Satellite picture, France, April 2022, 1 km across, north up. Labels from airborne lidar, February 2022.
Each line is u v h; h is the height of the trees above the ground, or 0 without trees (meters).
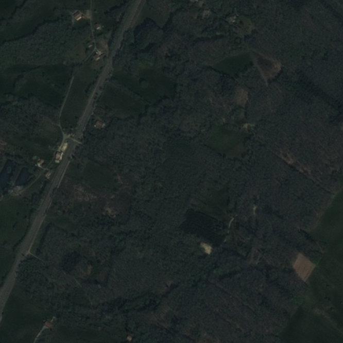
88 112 0
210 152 16
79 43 23
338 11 22
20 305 0
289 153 24
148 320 28
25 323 0
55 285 19
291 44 15
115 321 6
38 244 0
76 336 0
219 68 0
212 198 0
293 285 29
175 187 12
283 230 23
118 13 19
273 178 26
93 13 0
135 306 20
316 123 29
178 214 15
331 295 0
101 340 0
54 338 0
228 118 22
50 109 18
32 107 23
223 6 10
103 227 20
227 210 0
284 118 25
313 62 23
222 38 8
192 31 27
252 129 0
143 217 21
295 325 0
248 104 0
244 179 22
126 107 0
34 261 16
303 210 27
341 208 0
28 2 19
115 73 0
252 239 30
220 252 23
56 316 0
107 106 0
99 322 16
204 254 0
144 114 0
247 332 24
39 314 0
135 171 21
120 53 19
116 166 19
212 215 0
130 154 16
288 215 25
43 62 16
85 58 0
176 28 28
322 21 21
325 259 0
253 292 27
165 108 15
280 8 23
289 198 27
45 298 19
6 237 0
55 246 27
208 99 32
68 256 25
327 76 24
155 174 16
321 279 0
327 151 27
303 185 25
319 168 28
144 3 0
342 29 25
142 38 27
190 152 11
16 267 0
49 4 0
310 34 17
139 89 0
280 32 21
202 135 11
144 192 19
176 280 26
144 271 27
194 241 23
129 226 15
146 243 19
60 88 7
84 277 28
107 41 18
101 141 18
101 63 0
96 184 0
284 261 24
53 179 0
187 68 27
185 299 25
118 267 26
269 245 28
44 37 20
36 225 0
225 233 14
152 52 30
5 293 0
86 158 21
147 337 20
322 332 0
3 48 17
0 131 19
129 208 0
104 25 0
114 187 0
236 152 0
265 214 25
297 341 0
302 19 20
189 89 26
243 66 0
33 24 0
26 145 0
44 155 0
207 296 25
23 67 0
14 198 0
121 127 19
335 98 23
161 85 0
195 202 19
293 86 17
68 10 13
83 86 0
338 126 18
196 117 26
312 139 25
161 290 24
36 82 0
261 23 22
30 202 16
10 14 0
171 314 0
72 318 21
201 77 29
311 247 27
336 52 26
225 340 24
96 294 26
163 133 22
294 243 25
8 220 0
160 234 16
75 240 24
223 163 16
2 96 0
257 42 25
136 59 19
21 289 0
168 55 7
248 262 25
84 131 0
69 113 0
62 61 19
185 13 24
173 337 23
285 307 32
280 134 24
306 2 21
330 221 0
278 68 0
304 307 0
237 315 28
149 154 16
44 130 0
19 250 19
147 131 23
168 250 17
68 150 0
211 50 28
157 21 0
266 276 29
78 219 12
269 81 0
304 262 0
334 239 0
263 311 22
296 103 22
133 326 21
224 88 22
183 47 25
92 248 22
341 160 27
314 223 29
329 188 31
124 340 0
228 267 29
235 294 27
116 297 28
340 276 0
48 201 0
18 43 18
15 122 20
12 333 0
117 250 21
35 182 0
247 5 22
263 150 25
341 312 0
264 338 24
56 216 19
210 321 28
